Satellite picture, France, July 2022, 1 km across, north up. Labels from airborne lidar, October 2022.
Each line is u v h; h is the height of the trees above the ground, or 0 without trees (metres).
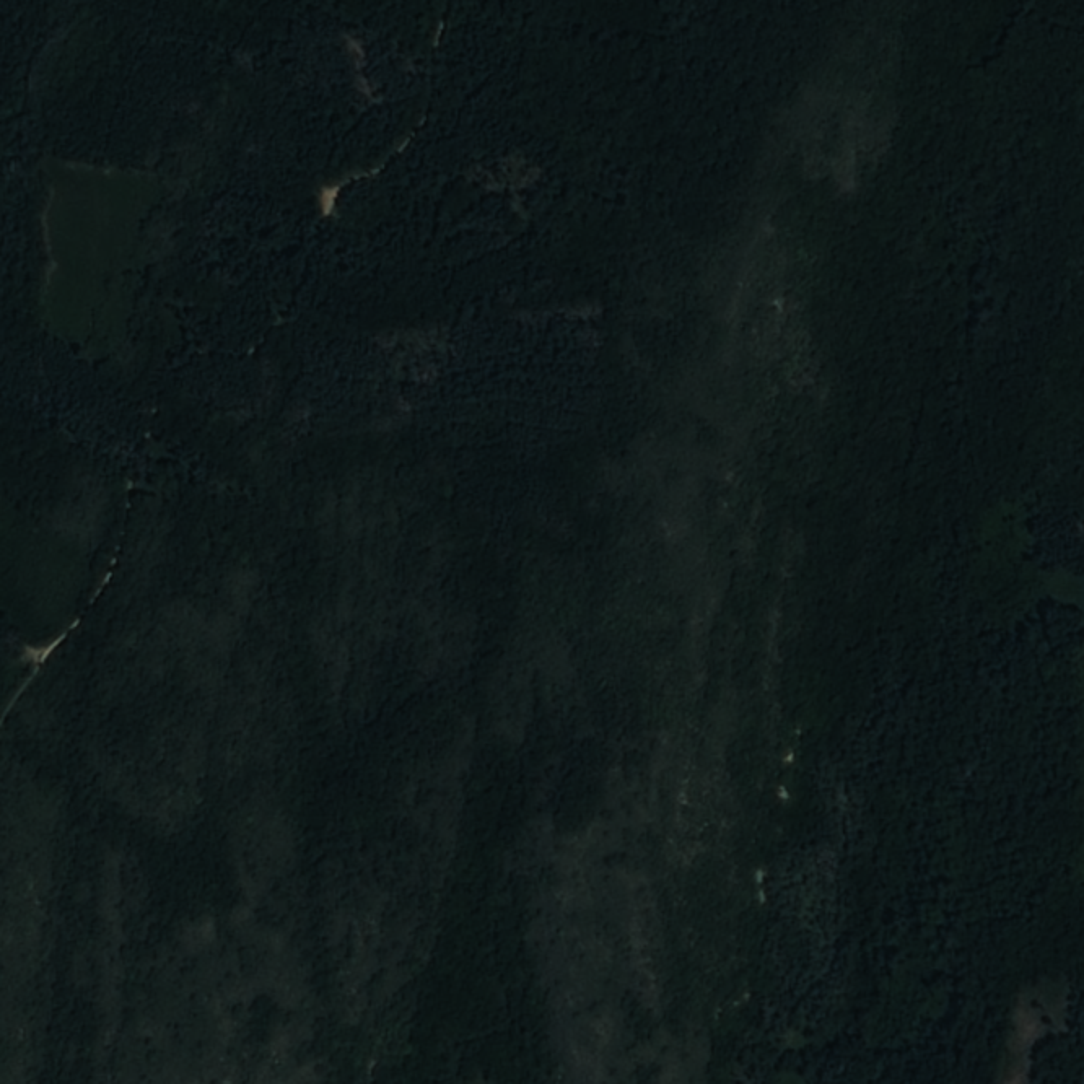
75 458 17
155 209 9
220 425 15
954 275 21
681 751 6
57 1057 13
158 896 12
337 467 8
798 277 8
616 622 6
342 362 20
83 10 14
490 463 15
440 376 14
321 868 17
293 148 20
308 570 13
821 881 10
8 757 10
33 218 10
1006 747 13
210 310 14
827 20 15
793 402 11
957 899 6
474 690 13
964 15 17
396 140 18
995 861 8
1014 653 23
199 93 16
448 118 11
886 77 11
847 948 28
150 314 11
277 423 14
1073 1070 16
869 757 19
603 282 16
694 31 18
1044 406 13
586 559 7
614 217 20
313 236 22
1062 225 17
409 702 16
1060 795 16
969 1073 16
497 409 19
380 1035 7
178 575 10
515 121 9
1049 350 13
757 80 16
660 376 6
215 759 8
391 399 14
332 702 8
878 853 14
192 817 9
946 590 15
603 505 7
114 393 14
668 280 8
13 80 16
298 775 10
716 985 9
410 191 16
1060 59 17
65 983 12
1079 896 11
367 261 20
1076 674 13
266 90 15
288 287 14
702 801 7
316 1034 6
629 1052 8
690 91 17
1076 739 16
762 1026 25
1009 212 24
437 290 14
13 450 14
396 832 13
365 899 6
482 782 14
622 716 6
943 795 6
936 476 20
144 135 10
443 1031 21
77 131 13
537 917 8
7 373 13
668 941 7
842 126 11
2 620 17
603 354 16
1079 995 13
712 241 8
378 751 15
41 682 6
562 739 9
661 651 7
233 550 20
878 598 15
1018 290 17
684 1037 9
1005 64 21
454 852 9
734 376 7
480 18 15
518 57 13
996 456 10
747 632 10
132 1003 8
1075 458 13
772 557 11
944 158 21
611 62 19
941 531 16
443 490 8
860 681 18
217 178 8
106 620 13
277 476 9
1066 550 24
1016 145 16
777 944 18
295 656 18
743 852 10
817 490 14
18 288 9
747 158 11
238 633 10
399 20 14
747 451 8
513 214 20
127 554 11
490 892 19
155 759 10
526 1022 17
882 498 16
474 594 9
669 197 16
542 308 23
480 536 7
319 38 24
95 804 11
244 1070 6
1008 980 18
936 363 16
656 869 6
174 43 12
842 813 16
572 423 16
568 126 21
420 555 10
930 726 12
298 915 6
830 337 12
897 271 13
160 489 16
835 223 9
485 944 14
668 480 7
